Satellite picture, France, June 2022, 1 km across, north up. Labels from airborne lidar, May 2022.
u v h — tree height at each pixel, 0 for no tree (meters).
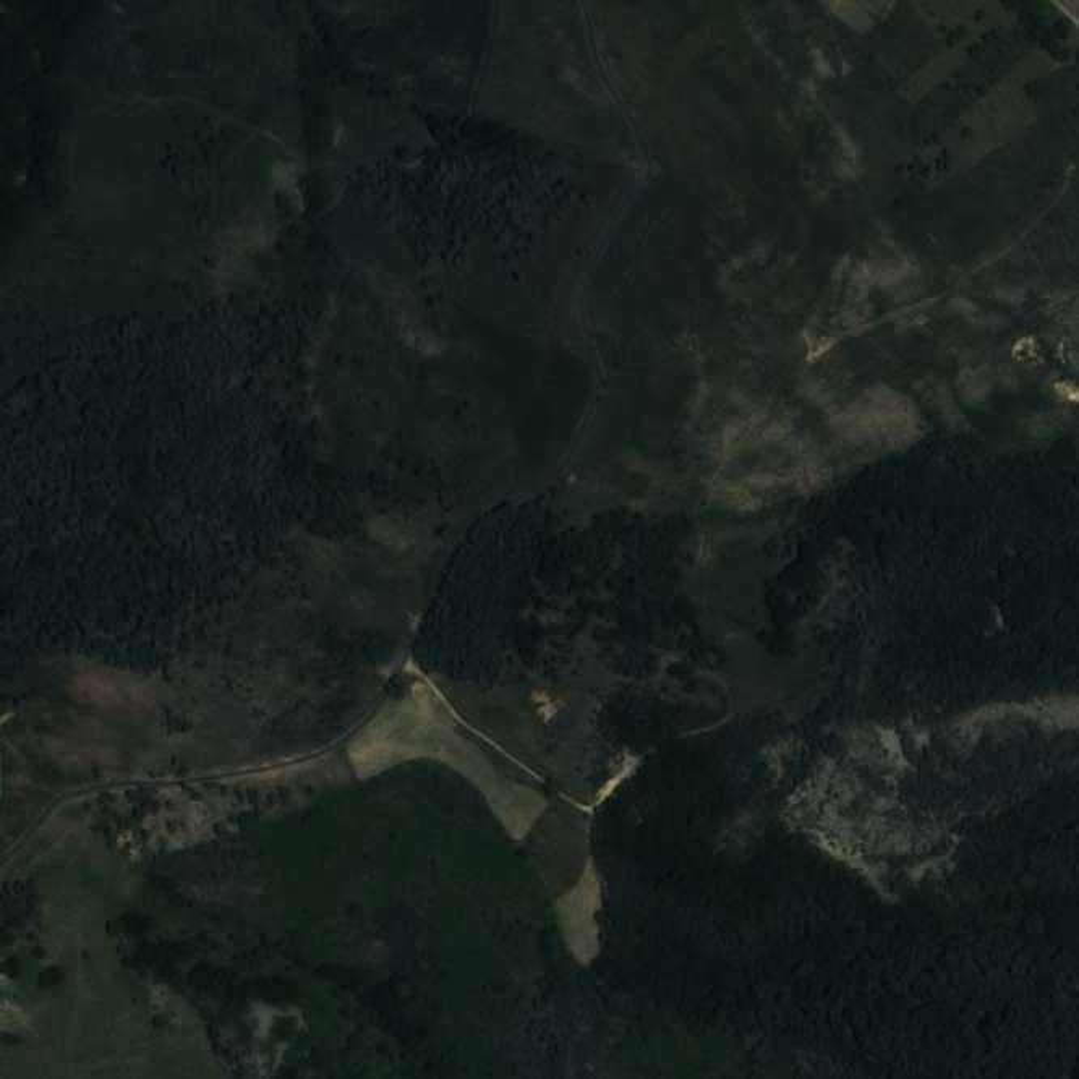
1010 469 17
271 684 0
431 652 21
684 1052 0
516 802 0
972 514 24
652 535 11
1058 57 11
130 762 0
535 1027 11
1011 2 16
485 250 0
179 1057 0
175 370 13
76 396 8
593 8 0
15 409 16
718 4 0
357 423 0
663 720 11
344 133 0
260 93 0
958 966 32
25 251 0
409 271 0
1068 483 14
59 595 6
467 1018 0
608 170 0
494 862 0
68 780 0
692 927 12
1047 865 21
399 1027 12
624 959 15
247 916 0
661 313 0
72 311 0
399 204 6
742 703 0
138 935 10
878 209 0
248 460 17
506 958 0
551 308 0
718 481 0
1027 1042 32
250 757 0
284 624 0
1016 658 31
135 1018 0
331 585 0
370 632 9
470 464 0
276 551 16
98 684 0
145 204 0
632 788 15
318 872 0
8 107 18
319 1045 7
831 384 0
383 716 0
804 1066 6
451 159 11
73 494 15
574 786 0
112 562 12
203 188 11
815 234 0
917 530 15
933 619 24
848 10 0
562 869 0
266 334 16
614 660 9
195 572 14
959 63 0
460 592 22
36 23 11
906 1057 28
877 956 22
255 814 10
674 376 0
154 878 9
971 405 0
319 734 0
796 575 19
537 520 13
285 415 16
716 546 0
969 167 0
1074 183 0
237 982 14
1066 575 22
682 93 0
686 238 0
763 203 0
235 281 0
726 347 0
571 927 0
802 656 0
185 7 0
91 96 0
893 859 7
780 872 15
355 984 15
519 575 14
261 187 0
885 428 0
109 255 0
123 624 10
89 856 0
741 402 0
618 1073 0
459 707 0
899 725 8
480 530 14
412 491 0
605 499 0
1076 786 19
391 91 10
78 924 0
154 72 0
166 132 0
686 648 19
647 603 13
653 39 0
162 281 0
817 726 10
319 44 16
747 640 0
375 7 0
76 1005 0
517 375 0
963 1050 20
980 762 12
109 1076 0
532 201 16
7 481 17
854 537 22
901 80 0
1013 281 0
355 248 0
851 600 11
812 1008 7
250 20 0
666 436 0
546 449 0
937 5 0
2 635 7
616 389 0
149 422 17
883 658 6
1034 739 14
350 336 0
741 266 0
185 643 13
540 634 14
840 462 0
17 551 14
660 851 21
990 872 17
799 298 0
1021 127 0
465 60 0
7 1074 0
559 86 0
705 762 9
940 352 0
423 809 0
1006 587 26
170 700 0
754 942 13
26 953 0
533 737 0
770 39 0
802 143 0
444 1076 7
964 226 0
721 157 0
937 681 18
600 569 11
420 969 8
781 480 0
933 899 10
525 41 0
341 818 0
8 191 21
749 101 0
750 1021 13
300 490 15
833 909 9
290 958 14
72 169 0
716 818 8
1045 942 11
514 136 17
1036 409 0
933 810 12
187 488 18
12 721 0
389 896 0
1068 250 0
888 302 0
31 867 0
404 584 0
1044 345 9
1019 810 17
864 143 0
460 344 0
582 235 0
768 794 11
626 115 0
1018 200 0
